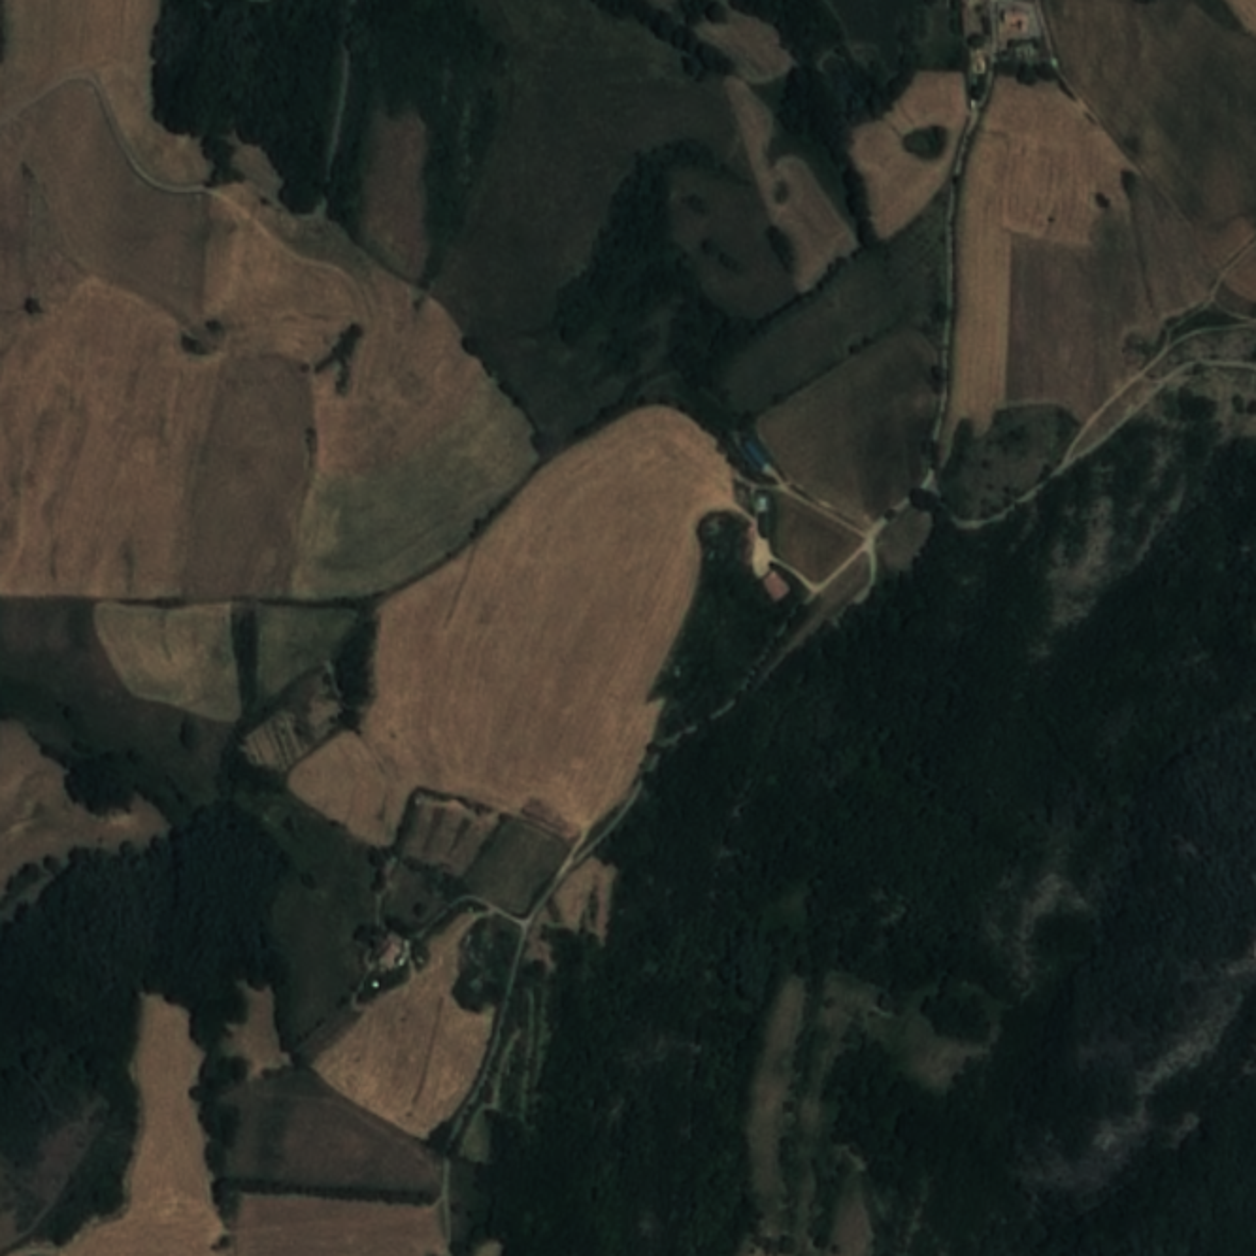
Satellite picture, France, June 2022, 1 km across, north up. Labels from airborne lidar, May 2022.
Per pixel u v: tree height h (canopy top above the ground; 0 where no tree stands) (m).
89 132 0
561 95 0
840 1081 13
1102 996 11
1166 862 8
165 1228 0
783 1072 0
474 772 0
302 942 0
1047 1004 7
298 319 0
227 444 0
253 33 10
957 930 18
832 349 0
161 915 20
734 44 0
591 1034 13
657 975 12
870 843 18
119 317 0
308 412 0
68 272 0
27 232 0
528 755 0
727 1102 17
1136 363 0
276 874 23
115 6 0
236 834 27
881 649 19
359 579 0
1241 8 0
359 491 0
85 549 0
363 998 7
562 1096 13
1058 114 0
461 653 0
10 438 0
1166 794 16
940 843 21
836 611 0
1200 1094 13
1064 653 9
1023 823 7
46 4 0
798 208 0
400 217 0
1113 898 14
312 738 0
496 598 0
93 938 26
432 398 0
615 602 0
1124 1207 17
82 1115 0
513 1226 12
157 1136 0
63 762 10
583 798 0
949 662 17
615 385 0
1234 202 0
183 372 0
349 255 0
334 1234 0
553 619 0
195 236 0
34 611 0
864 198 13
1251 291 0
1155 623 10
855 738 21
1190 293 0
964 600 11
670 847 10
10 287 0
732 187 0
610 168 0
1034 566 12
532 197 0
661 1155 14
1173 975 9
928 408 0
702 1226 19
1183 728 12
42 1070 12
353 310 0
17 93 0
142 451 0
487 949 0
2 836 0
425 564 0
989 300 0
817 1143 0
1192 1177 13
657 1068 11
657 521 0
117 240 0
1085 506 8
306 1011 0
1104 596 9
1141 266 0
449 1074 0
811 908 11
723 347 12
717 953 16
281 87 14
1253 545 9
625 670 0
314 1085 0
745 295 0
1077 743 15
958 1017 14
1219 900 12
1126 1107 7
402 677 0
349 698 10
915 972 10
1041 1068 14
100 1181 9
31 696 0
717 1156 18
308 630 0
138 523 0
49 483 0
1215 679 13
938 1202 7
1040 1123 13
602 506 0
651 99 0
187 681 0
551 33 0
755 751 17
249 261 0
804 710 20
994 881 17
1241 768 8
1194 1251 8
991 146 0
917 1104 20
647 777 10
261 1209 0
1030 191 0
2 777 0
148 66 0
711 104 0
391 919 9
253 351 0
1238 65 0
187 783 0
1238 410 7
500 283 0
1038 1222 7
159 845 13
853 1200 0
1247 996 8
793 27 10
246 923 29
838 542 0
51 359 0
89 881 20
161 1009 0
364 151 8
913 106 0
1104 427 0
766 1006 11
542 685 0
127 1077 8
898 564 0
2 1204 0
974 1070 8
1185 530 11
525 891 0
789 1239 11
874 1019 8
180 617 0
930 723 17
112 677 0
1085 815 15
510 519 0
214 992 22
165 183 0
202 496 0
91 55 0
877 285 0
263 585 0
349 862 0
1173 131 0
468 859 0
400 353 0
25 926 20
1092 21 0
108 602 0
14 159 0
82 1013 14
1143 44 0
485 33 6
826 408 0
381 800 0
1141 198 0
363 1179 0
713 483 0
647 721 0
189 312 0
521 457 0
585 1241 16
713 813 13
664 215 7
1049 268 0
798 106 15
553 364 0
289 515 0
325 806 0
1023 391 0
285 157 16
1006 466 0
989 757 17
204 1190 0
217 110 16
